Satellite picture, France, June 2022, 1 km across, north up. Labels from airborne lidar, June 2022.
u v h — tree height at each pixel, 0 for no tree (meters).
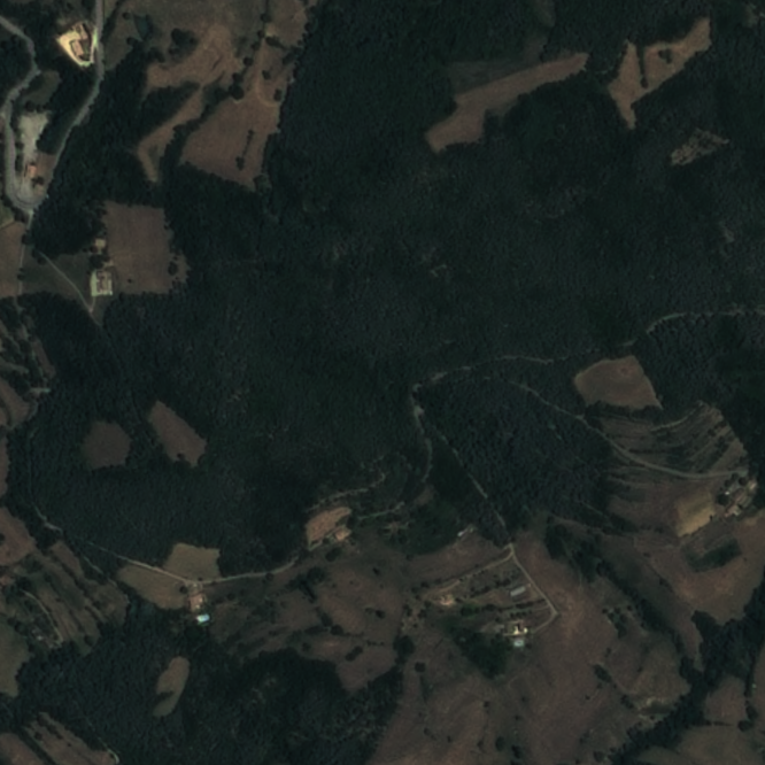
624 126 12
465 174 11
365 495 7
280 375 13
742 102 11
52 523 11
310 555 9
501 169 9
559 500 16
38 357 6
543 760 0
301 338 20
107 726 14
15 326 10
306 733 8
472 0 14
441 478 7
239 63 0
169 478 13
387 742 0
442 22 9
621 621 11
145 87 10
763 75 13
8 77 20
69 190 10
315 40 14
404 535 7
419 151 12
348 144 16
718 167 13
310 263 9
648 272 10
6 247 0
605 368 0
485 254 9
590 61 10
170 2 0
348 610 0
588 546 15
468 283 7
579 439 13
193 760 7
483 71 0
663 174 8
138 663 10
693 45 0
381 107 15
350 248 13
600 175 10
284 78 0
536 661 0
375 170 10
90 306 0
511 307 8
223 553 11
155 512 8
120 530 10
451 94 9
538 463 11
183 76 0
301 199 11
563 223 13
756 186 12
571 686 0
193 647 11
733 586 0
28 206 0
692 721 18
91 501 13
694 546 0
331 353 20
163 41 0
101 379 16
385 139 10
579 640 0
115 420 7
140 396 13
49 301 13
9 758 0
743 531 0
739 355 15
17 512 10
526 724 0
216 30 0
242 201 11
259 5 0
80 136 11
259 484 10
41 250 10
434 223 11
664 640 0
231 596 7
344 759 10
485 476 14
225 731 12
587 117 9
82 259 0
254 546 9
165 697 10
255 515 8
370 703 13
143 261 0
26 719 14
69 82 20
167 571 0
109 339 13
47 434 10
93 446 0
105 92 10
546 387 7
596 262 10
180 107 0
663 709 0
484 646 0
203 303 15
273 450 9
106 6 0
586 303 9
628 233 12
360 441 8
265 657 11
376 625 0
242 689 9
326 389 12
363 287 13
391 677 9
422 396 16
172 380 9
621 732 0
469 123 0
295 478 11
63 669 22
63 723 11
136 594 7
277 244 19
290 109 12
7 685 0
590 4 14
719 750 0
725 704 0
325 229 18
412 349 12
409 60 15
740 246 8
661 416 13
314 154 15
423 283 13
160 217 0
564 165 9
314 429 12
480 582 0
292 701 14
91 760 0
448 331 11
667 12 13
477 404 14
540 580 0
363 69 13
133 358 11
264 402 10
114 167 7
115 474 12
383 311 11
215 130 0
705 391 11
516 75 0
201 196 10
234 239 13
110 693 7
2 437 13
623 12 12
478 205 7
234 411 11
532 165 7
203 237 11
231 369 10
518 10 14
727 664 15
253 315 15
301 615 0
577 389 7
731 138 9
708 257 11
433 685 0
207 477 12
